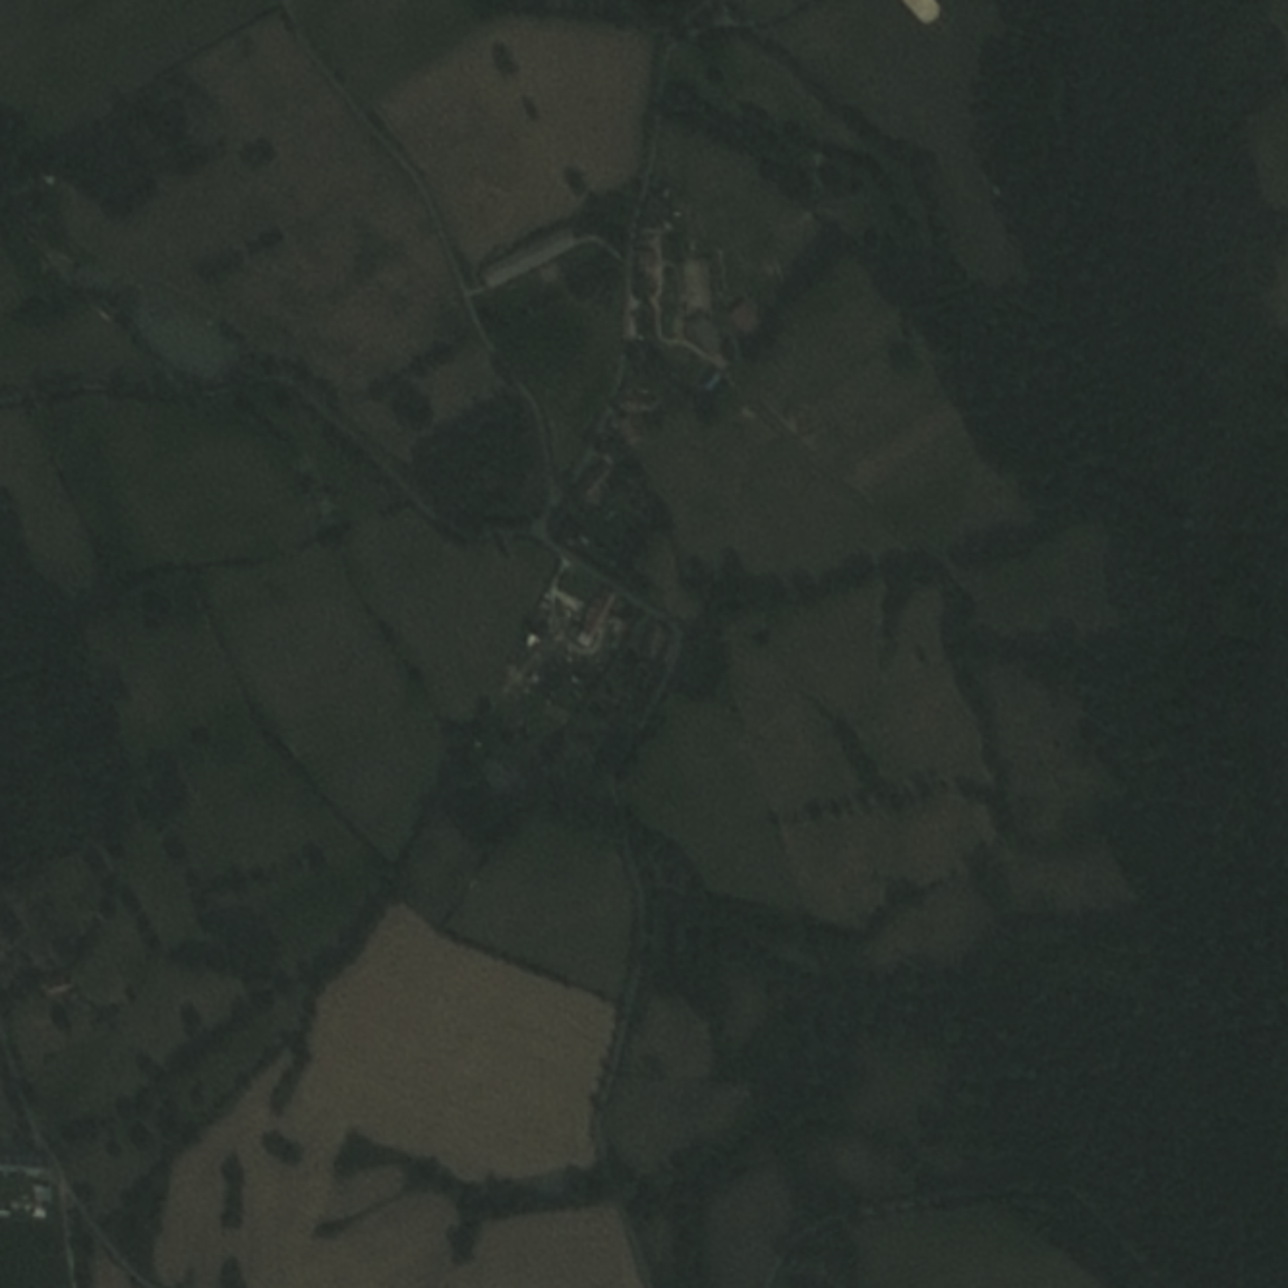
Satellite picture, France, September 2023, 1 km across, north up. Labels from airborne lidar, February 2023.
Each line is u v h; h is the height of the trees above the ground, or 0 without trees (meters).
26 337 0
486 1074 0
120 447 0
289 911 0
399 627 0
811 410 0
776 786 0
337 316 0
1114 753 18
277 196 0
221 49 0
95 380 0
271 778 0
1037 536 14
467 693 0
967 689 15
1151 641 14
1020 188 8
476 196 0
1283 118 0
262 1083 0
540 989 0
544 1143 0
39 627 23
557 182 0
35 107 0
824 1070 9
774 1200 0
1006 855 0
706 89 0
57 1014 10
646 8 0
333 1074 0
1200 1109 15
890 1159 0
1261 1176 10
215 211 0
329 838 0
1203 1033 18
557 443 0
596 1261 0
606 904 0
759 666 0
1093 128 20
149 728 0
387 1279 0
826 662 0
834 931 6
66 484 8
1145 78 21
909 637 0
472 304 0
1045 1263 0
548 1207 8
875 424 0
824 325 0
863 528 0
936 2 0
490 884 0
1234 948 21
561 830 0
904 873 0
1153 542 14
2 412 0
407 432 0
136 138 0
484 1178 0
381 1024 0
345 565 0
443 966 0
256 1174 0
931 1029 24
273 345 0
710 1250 0
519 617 0
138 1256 0
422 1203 0
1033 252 10
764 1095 9
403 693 0
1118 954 7
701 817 0
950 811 0
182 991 0
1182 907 23
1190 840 22
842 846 0
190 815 0
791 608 0
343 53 0
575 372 0
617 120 0
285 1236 0
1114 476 22
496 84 0
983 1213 0
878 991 16
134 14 0
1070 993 8
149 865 0
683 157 0
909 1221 0
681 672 9
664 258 0
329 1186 0
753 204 0
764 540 0
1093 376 22
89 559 0
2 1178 0
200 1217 0
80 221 0
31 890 0
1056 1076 19
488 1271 0
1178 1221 9
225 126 0
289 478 0
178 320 0
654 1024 0
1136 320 17
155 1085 9
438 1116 0
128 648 0
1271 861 19
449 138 0
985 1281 0
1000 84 12
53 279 0
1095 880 0
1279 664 6
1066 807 0
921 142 0
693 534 0
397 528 0
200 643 0
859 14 0
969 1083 18
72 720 14
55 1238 0
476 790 21
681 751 0
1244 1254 11
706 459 0
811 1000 9
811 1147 0
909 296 17
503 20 0
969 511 0
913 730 0
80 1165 0
